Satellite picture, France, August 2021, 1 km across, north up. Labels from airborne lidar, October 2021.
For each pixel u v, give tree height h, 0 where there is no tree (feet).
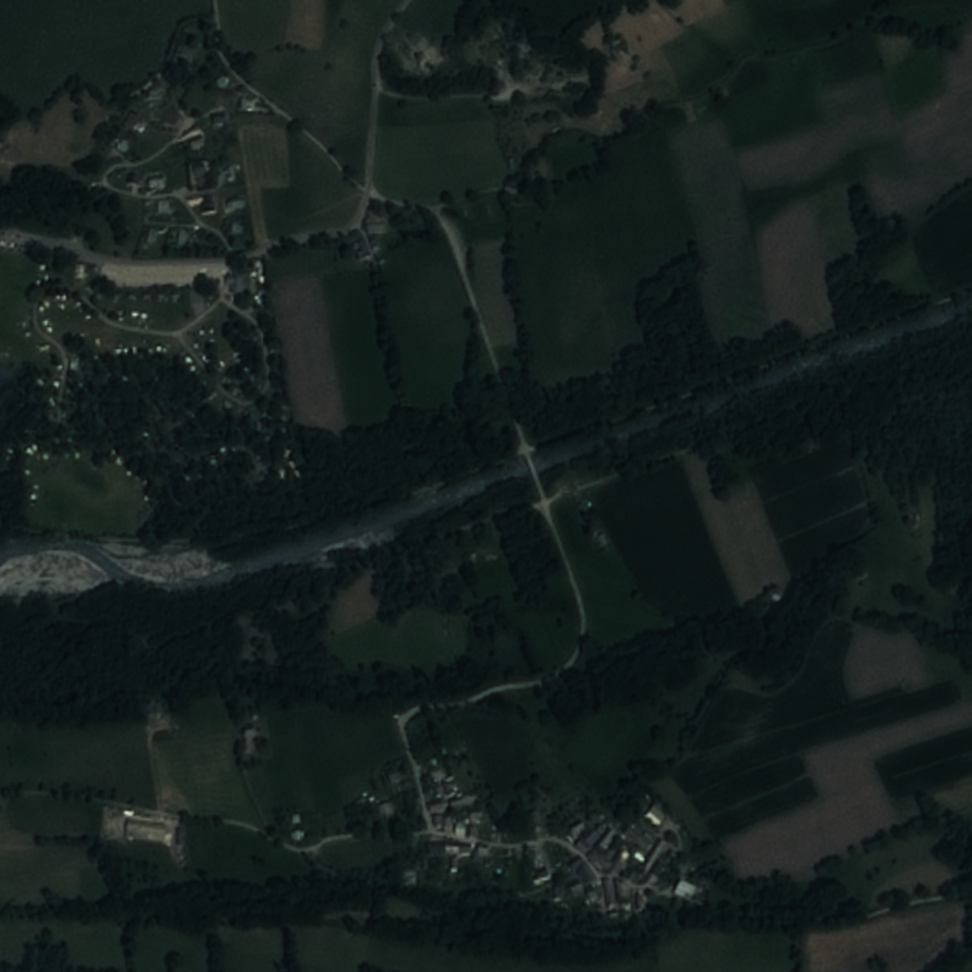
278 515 62
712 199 0
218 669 60
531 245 0
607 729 0
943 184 0
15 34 0
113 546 0
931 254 0
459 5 0
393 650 0
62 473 0
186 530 72
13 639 31
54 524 0
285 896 73
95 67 0
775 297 0
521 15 39
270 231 0
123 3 0
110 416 72
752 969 0
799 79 0
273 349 48
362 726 0
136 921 51
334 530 53
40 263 79
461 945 51
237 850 0
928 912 0
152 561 0
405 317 0
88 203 54
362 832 59
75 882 0
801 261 0
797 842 0
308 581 57
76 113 27
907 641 0
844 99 0
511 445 53
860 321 52
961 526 58
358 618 0
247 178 0
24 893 0
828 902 66
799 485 0
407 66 0
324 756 0
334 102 0
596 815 22
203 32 55
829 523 0
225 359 0
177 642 40
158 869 38
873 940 0
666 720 18
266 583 46
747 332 0
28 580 0
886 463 59
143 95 18
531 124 31
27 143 0
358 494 63
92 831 0
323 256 0
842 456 0
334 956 0
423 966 0
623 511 0
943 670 0
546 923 33
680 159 0
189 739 0
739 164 0
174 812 0
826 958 0
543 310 0
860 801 0
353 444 59
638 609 0
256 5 0
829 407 59
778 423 36
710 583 0
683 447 36
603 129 0
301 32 0
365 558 29
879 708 0
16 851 0
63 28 0
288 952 38
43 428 64
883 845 50
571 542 0
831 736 0
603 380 58
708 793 0
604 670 63
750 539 0
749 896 49
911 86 0
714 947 0
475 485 0
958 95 0
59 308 0
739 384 50
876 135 0
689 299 53
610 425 35
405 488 63
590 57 39
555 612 0
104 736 0
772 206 0
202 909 83
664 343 69
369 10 0
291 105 0
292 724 0
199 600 43
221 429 65
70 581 0
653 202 0
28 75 0
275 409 45
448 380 0
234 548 27
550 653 0
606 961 63
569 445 61
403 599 71
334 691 84
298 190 0
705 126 0
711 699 45
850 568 67
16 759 0
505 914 77
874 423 23
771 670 49
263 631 40
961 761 0
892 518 0
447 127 0
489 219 0
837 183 0
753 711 0
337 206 0
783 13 0
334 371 0
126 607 37
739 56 0
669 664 127
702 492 0
